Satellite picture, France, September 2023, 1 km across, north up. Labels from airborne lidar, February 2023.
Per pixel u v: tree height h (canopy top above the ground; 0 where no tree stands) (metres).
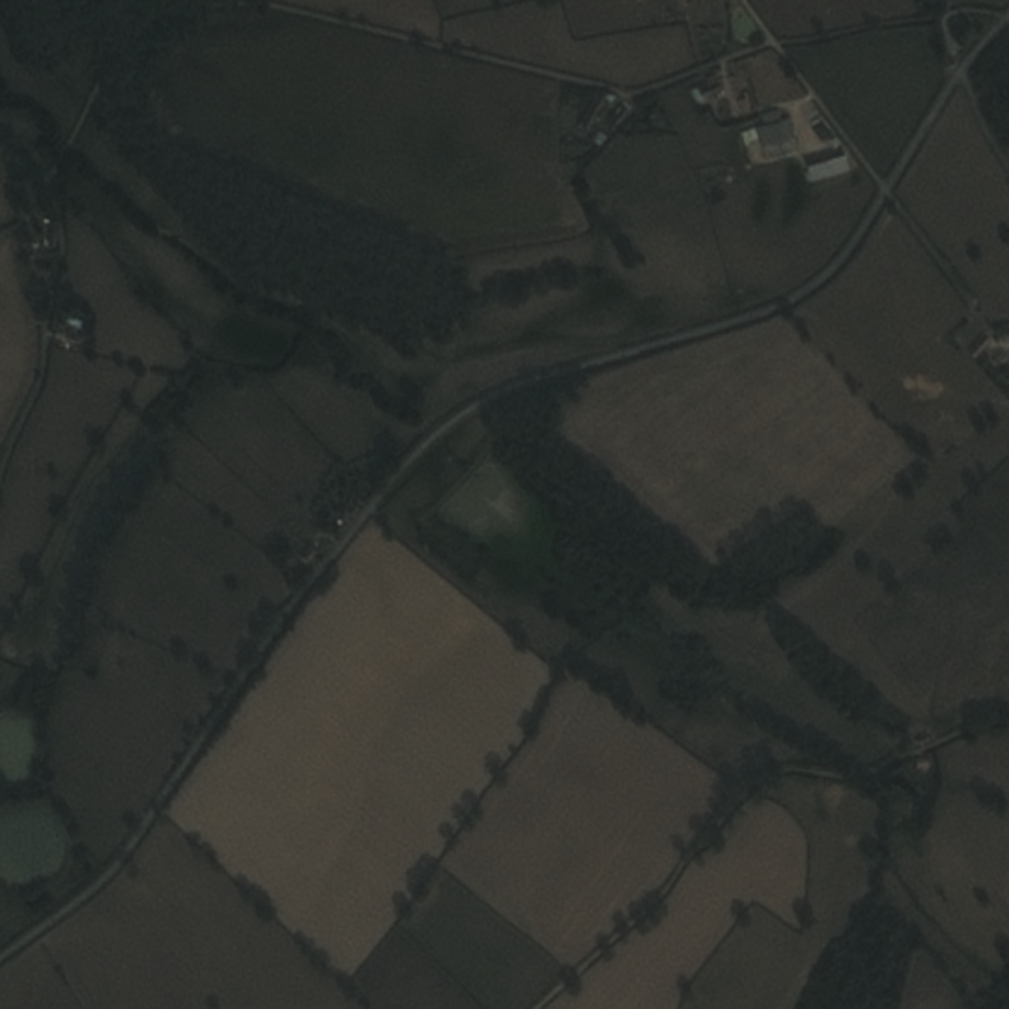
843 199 0
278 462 0
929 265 0
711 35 0
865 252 0
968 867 0
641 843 0
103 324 0
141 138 22
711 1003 0
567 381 18
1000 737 0
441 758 0
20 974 0
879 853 15
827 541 5
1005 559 0
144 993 0
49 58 23
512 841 0
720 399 0
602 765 0
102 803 0
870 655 0
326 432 0
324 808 0
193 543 0
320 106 0
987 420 16
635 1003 0
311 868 0
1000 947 14
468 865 0
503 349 0
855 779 17
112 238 0
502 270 0
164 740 0
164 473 16
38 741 14
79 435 0
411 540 0
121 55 17
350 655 0
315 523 7
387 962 0
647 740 0
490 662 0
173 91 0
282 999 0
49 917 0
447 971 0
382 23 0
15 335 0
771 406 0
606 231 11
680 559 25
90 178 14
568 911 0
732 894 0
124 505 20
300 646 0
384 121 0
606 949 16
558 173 0
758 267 0
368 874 0
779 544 24
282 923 0
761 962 0
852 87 0
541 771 0
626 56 0
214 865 15
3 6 24
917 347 0
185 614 0
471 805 18
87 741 0
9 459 0
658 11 0
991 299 0
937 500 0
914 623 0
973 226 0
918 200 0
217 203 22
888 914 6
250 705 0
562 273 21
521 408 20
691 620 0
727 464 0
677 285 0
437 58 0
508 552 0
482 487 0
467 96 0
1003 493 0
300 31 0
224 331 0
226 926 0
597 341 0
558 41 0
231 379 13
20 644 0
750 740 0
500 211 0
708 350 0
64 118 0
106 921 0
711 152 0
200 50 0
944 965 9
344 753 0
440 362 0
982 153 0
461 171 0
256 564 0
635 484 0
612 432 0
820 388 0
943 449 0
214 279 8
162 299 0
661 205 0
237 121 0
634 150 0
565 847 0
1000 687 0
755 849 0
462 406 0
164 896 0
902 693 0
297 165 0
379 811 0
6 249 0
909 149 0
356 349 0
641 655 0
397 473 0
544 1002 0
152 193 13
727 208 0
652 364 0
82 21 22
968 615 0
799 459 0
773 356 0
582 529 6
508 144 0
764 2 0
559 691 0
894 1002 10
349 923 0
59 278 7
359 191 0
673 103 0
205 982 0
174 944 0
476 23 0
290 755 0
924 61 0
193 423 0
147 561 0
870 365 0
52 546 0
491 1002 0
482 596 0
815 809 0
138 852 0
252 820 0
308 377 0
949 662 0
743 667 0
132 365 11
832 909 0
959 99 0
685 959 0
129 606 0
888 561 0
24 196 16
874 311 0
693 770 0
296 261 23
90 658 0
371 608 0
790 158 0
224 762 0
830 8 0
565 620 9
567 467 20
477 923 0
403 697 0
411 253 23
